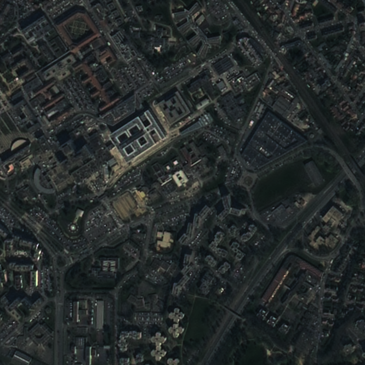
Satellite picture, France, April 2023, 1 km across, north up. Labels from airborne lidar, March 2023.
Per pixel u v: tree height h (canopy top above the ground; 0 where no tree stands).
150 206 0
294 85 0
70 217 0
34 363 0
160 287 15
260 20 6
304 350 21
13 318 0
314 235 0
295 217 0
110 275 0
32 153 0
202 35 0
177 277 0
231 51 0
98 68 0
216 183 0
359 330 0
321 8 0
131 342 0
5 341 0
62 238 0
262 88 0
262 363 0
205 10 0
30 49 13
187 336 0
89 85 8
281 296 0
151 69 7
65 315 0
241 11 0
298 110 0
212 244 0
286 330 0
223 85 0
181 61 0
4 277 0
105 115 0
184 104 0
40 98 0
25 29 0
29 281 10
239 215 0
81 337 0
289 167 0
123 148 0
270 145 0
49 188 0
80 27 0
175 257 9
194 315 0
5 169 0
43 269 0
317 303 0
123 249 0
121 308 0
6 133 0
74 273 12
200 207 0
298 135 0
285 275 0
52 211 0
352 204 17
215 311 16
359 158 0
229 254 0
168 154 0
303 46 0
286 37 0
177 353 19
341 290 16
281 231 8
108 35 0
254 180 0
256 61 0
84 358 0
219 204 0
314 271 0
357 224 9
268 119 0
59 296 0
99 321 0
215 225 0
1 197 0
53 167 0
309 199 0
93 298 0
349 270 12
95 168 0
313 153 14
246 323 7
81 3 0
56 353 0
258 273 0
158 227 0
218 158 0
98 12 0
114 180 0
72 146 0
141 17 11
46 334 0
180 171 0
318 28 0
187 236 0
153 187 0
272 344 15
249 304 6
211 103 0
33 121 0
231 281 15
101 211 0
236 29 0
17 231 0
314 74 0
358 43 0
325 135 0
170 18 0
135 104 0
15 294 0
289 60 12
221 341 0
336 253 0
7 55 0
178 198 0
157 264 0
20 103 0
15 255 0
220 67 0
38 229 0
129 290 9
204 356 0
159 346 0
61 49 0
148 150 0
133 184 0
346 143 0
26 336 0
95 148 0
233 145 0
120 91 0
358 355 14
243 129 0
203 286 0
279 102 0
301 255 0
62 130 0
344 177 0
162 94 0
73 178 0
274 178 0
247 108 8
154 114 0
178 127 0
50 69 0
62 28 0
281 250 0
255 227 0
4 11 0
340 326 18
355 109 0
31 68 0
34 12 0
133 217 8
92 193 0
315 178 0
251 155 0
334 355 17
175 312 0
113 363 10
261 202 0
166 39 0
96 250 9
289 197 0
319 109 0
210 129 0
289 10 0
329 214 0
